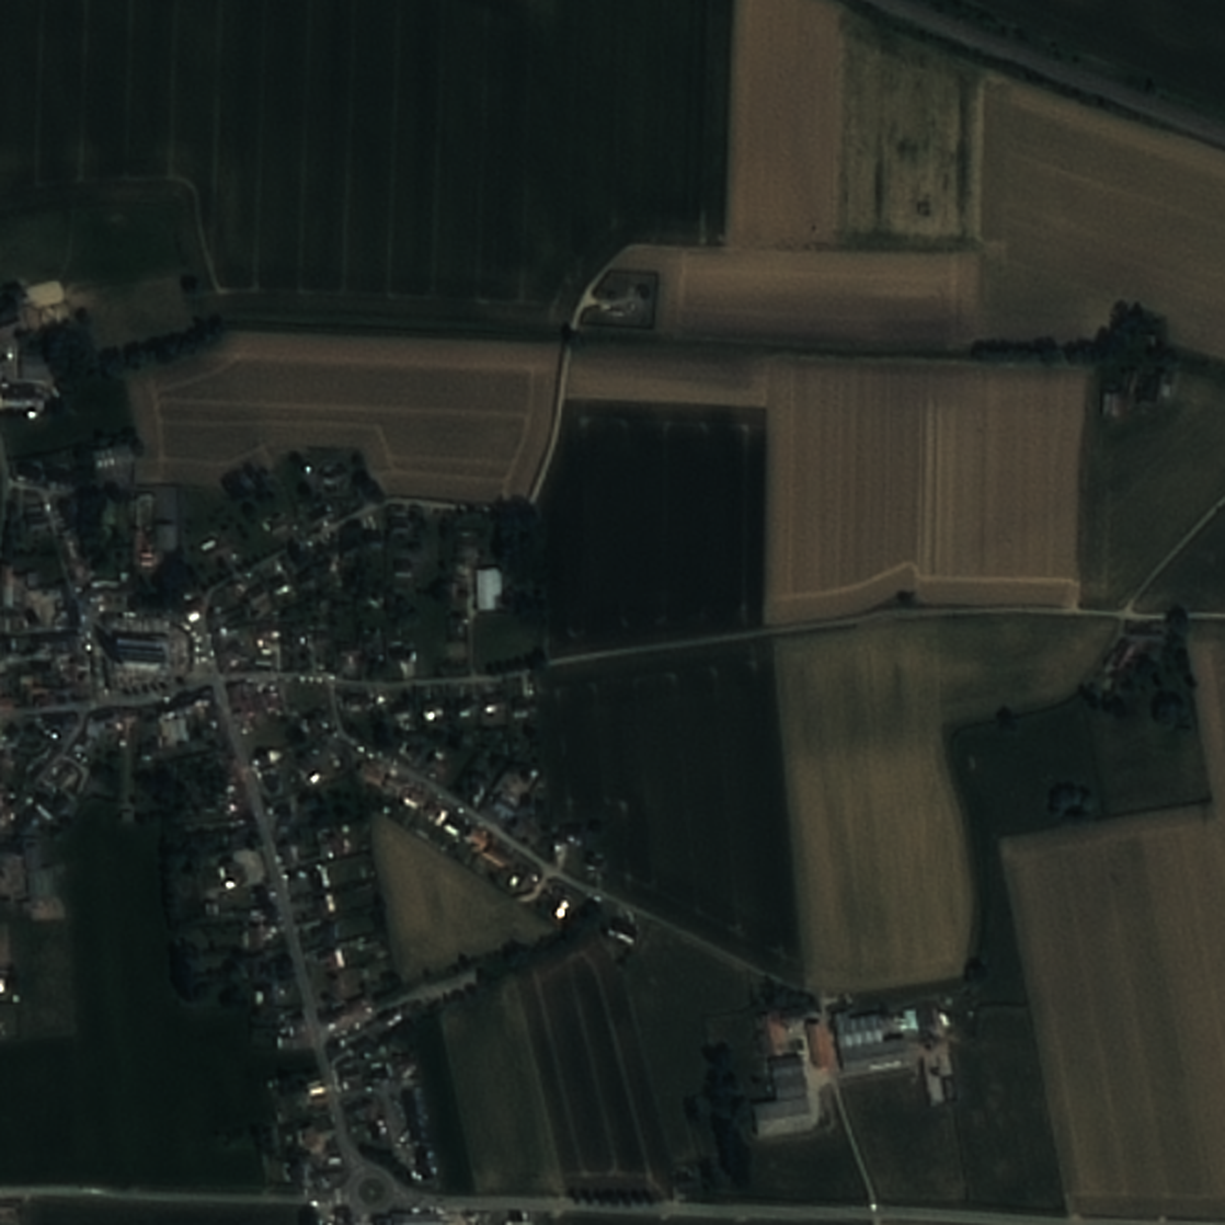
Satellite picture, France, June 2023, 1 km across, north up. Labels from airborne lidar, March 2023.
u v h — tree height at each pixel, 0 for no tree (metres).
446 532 7
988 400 0
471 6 0
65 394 13
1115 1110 0
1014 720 16
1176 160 0
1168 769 0
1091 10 0
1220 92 0
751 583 0
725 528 0
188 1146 0
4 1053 0
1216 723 0
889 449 0
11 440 0
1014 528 0
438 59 0
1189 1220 0
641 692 0
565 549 0
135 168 0
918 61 0
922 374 0
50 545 0
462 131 0
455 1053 0
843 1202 0
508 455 0
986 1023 0
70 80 0
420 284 0
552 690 0
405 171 0
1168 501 0
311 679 0
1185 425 0
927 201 0
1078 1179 0
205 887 0
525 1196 0
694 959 0
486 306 0
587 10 0
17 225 0
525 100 0
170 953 0
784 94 0
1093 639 0
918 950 0
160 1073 0
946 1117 0
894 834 0
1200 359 0
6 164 0
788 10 0
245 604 8
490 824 0
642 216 0
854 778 0
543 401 0
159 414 0
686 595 0
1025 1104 0
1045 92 0
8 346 0
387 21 0
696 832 0
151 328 0
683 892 0
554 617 0
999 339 0
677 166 0
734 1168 25
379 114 0
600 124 0
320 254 0
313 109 0
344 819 10
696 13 0
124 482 0
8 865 0
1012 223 0
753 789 0
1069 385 0
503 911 0
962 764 0
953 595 0
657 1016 0
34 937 0
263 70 0
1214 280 0
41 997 0
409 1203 0
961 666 0
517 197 0
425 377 0
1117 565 0
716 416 0
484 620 0
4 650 0
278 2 0
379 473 0
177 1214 0
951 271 0
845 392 0
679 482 0
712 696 0
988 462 0
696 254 0
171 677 0
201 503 0
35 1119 0
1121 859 0
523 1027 0
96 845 0
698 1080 0
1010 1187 0
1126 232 0
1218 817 0
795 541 0
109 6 0
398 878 0
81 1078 0
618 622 0
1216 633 0
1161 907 0
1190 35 0
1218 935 0
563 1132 0
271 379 0
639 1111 0
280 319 0
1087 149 0
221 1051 0
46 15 0
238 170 0
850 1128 0
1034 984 0
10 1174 0
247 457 0
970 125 0
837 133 0
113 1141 0
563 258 0
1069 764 0
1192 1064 0
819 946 0
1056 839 0
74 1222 0
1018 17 0
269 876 0
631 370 0
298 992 0
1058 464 0
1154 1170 0
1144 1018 0
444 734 6
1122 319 17
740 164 0
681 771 0
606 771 0
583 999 0
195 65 0
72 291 0
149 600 11
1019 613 0
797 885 0
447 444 0
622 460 0
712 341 0
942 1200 0
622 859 0
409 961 0
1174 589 0
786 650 0
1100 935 0
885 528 0
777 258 0
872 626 0
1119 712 11
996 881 0
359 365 0
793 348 0
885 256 0
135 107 0
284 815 0
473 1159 0
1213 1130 0
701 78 0
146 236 0
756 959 0
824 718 0
